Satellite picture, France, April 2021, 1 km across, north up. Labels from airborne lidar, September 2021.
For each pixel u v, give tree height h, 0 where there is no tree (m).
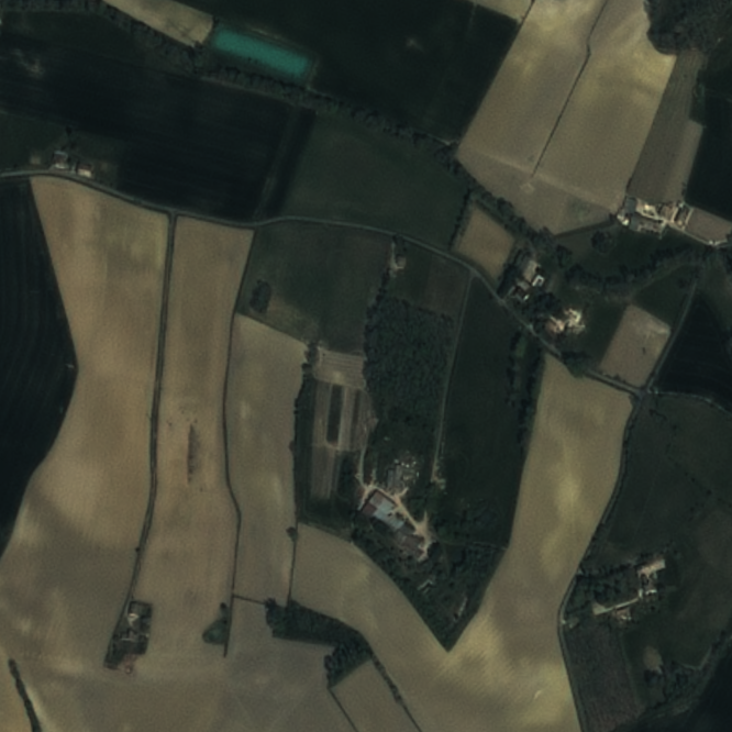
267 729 0
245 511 0
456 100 0
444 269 0
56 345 0
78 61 0
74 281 0
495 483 0
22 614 0
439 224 0
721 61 0
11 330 0
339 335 0
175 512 0
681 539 0
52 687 0
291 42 0
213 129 0
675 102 0
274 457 0
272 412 0
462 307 0
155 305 0
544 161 0
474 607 12
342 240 0
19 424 0
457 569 13
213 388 0
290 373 0
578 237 0
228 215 0
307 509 0
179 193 0
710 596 0
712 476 0
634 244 0
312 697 0
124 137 0
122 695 0
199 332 0
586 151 0
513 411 0
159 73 0
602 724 14
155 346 0
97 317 0
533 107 0
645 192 0
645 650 0
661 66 0
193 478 0
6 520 0
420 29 0
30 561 0
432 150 14
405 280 0
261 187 0
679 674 20
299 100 15
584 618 10
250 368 0
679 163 0
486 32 0
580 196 0
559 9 0
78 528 0
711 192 0
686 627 0
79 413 0
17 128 0
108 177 0
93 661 0
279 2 0
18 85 0
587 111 0
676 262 24
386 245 0
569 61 0
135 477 0
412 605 6
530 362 0
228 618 14
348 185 0
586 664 9
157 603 0
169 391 0
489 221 0
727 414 13
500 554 12
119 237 0
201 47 8
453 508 0
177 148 0
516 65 0
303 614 12
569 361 18
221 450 0
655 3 14
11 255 0
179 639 0
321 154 0
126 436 0
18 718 0
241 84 18
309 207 0
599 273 0
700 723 0
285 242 0
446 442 0
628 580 10
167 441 0
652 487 0
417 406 18
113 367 0
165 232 0
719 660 11
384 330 21
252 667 0
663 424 11
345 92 0
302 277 0
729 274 13
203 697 0
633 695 16
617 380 7
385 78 0
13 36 0
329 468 0
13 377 0
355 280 0
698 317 0
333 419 0
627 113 0
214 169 0
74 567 0
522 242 0
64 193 0
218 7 0
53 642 0
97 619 0
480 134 0
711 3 15
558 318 23
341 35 0
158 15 0
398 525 0
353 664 16
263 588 0
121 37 0
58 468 0
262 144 0
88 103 0
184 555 0
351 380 0
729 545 0
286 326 0
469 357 0
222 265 0
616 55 0
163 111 0
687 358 0
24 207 0
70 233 0
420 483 0
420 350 22
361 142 0
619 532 0
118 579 0
